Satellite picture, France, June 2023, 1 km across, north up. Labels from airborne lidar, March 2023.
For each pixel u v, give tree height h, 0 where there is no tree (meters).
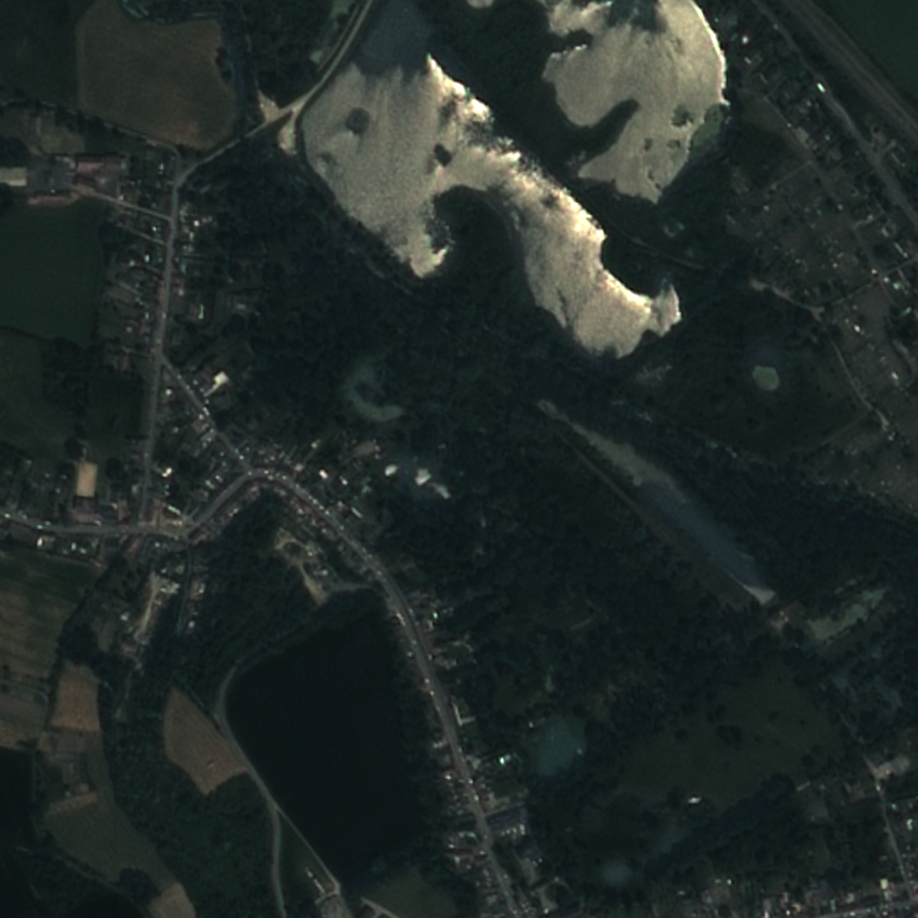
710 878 0
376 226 0
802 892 10
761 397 0
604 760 21
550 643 31
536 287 0
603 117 0
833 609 26
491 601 10
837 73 6
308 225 17
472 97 0
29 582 0
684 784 0
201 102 0
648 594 33
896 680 9
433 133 0
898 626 20
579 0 0
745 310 5
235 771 0
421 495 0
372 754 0
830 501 19
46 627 0
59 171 0
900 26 0
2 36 0
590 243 0
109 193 0
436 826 13
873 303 0
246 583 9
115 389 0
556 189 0
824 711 10
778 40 17
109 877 0
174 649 14
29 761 0
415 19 0
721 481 33
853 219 0
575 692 20
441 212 0
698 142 0
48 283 0
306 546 0
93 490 0
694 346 6
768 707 0
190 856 8
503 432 16
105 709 9
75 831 0
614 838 0
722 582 0
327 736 0
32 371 0
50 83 0
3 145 20
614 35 0
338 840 0
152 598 0
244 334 17
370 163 0
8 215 0
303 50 7
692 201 6
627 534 12
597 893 18
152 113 0
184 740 0
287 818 0
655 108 0
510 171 0
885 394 0
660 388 0
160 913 0
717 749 0
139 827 10
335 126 0
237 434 6
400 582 13
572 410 25
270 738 0
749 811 22
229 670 10
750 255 13
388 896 0
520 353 18
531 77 6
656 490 0
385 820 0
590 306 0
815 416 0
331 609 15
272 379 17
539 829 23
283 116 0
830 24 0
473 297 17
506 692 0
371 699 0
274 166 22
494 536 6
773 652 18
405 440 15
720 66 0
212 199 18
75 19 0
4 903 0
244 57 7
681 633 30
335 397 17
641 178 0
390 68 0
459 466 21
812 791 0
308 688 0
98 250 0
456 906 13
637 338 0
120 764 11
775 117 0
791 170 0
